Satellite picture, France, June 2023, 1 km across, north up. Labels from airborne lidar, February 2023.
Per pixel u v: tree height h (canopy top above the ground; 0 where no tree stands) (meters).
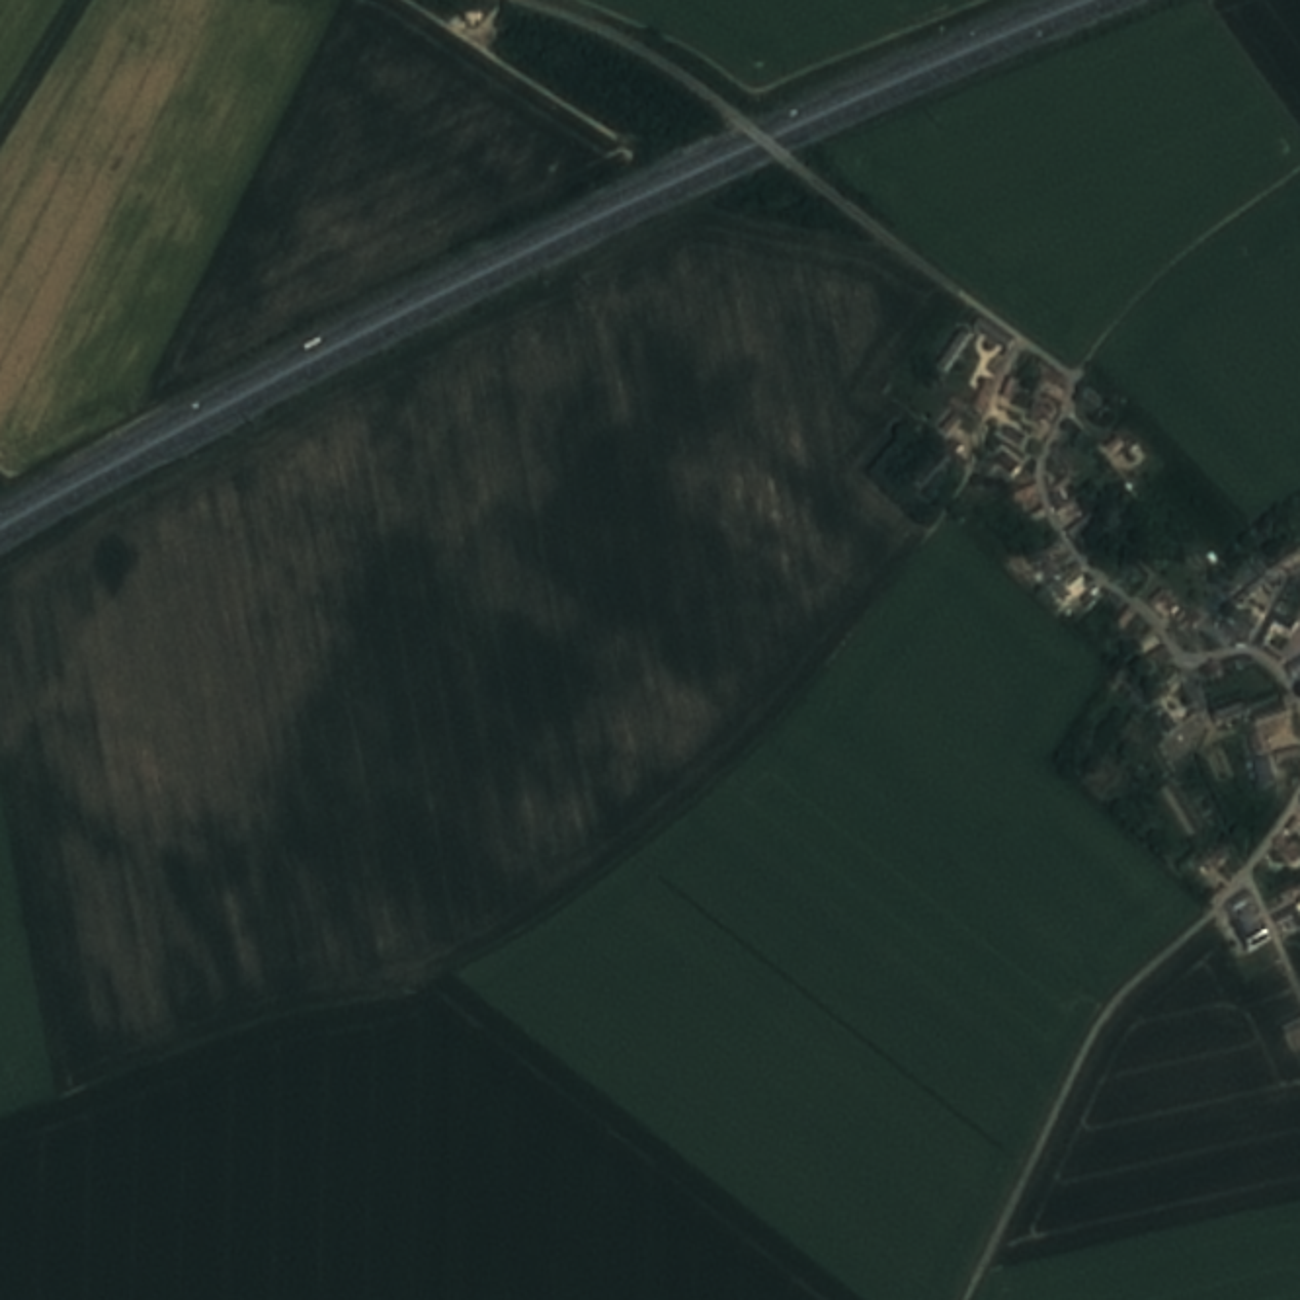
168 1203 0
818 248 0
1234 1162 0
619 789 0
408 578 0
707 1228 0
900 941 0
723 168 0
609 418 0
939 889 0
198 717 0
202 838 0
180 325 0
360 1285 0
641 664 0
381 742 0
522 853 0
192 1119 0
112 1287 0
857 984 0
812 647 0
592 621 0
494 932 0
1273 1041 0
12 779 0
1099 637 6
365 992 0
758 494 0
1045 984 0
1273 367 0
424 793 0
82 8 0
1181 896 0
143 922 0
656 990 0
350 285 0
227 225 0
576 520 0
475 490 0
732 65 0
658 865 0
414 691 0
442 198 0
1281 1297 0
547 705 0
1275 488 0
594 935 0
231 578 0
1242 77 0
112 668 0
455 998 0
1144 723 0
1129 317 0
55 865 0
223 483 0
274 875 0
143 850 0
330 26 0
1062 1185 0
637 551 0
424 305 0
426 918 0
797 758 0
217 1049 0
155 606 0
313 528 0
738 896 0
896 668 0
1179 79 0
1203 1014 0
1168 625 0
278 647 0
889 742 0
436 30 0
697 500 0
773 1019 0
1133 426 0
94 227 0
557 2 0
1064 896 0
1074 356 0
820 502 0
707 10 0
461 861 0
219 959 0
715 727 0
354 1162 0
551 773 0
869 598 0
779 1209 0
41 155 0
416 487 0
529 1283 0
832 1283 0
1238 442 0
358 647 0
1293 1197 0
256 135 0
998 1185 0
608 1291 0
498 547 0
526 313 0
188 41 0
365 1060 0
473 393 0
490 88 0
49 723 0
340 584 0
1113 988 0
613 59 8
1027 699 0
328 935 0
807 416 0
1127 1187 0
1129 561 9
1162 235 0
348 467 0
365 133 0
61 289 0
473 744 0
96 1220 0
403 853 0
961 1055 0
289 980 0
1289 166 0
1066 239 0
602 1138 0
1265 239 0
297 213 0
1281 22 0
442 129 0
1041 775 0
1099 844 0
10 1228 0
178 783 0
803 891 0
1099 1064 0
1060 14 0
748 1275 0
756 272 0
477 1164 0
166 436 0
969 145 0
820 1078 0
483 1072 0
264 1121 0
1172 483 0
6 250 0
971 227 0
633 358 0
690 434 0
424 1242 0
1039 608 0
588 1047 0
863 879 0
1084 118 0
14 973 0
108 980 0
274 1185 0
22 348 0
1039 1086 0
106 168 0
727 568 0
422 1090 0
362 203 0
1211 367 0
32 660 0
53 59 0
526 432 0
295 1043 0
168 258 0
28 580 0
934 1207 0
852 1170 0
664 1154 0
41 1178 0
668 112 8
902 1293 0
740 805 0
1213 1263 0
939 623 0
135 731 0
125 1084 0
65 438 0
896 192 0
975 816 0
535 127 0
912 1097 0
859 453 0
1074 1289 0
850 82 0
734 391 0
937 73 0
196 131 0
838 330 0
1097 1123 0
